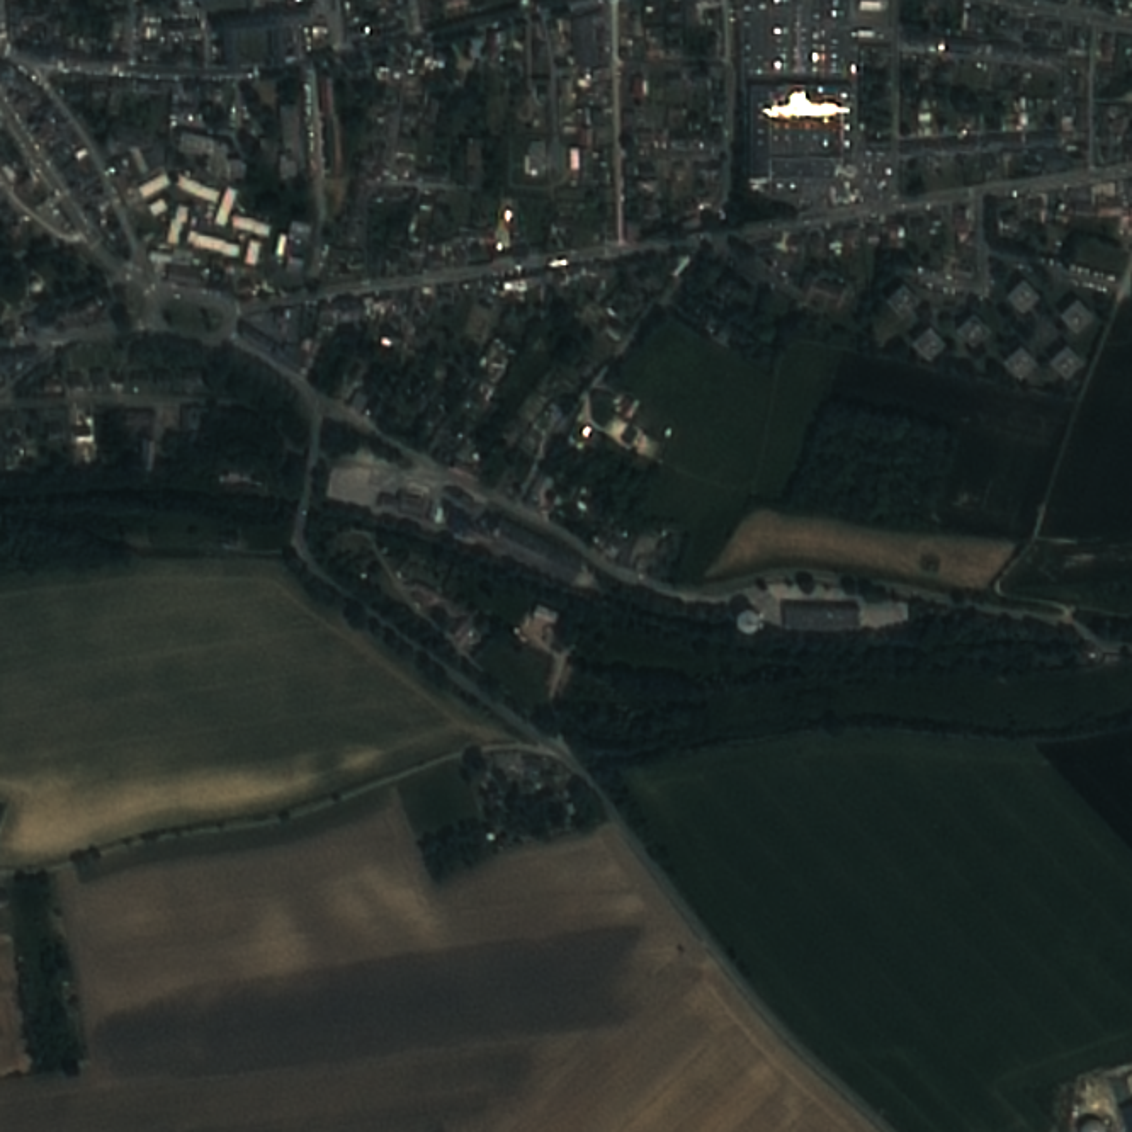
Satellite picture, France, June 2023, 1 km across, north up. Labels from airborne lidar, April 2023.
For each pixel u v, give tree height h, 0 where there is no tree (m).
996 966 0
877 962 0
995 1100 0
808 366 0
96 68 0
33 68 0
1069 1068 0
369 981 0
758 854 0
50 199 0
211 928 0
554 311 16
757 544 0
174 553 0
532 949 0
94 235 0
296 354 0
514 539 0
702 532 0
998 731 7
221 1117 0
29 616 0
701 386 0
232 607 0
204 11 0
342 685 0
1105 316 13
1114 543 0
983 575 0
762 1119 0
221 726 0
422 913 0
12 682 0
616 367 15
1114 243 8
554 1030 0
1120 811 0
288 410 14
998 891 0
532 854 0
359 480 0
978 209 0
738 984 0
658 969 0
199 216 0
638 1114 0
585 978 0
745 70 0
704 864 0
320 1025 0
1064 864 0
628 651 0
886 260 11
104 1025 0
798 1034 0
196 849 0
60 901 0
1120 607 0
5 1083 0
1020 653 14
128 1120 0
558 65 6
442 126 11
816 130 0
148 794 0
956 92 12
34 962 0
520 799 13
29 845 0
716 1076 0
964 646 9
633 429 7
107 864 0
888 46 0
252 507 10
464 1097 0
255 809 0
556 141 0
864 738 0
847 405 15
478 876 0
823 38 0
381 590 9
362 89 9
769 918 0
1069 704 0
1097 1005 0
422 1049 0
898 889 0
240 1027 0
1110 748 0
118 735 0
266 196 12
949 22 9
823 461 19
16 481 6
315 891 0
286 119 0
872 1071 0
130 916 0
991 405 0
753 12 0
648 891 0
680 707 18
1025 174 6
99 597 0
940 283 0
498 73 0
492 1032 0
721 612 9
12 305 0
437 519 0
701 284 10
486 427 9
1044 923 0
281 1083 0
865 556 0
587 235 0
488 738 0
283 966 0
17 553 6
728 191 0
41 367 7
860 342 7
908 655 18
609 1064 0
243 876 0
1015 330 10
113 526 6
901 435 17
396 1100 0
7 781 0
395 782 0
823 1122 0
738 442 0
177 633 0
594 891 0
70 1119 0
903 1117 0
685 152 0
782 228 0
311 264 0
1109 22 0
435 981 0
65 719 0
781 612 0
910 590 0
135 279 0
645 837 13
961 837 0
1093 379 0
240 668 0
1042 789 0
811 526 0
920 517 12
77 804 0
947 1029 0
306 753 0
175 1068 0
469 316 0
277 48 0
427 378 9
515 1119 0
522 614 0
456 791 0
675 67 0
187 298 0
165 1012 0
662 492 0
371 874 0
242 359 13
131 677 0
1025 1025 0
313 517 14
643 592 11
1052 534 0
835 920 0
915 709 0
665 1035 0
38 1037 7
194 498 14
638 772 0
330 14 0
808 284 0
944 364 17
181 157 9
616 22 0
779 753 0
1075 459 0
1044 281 16
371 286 0
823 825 0
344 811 0
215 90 0
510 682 0
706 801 0
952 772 0
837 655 11
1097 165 0
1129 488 0
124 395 0
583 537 8
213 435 9
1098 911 0
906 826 0
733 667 0
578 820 17
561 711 15
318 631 0
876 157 0
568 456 10
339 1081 0
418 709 0
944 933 0
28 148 0
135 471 21
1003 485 0
